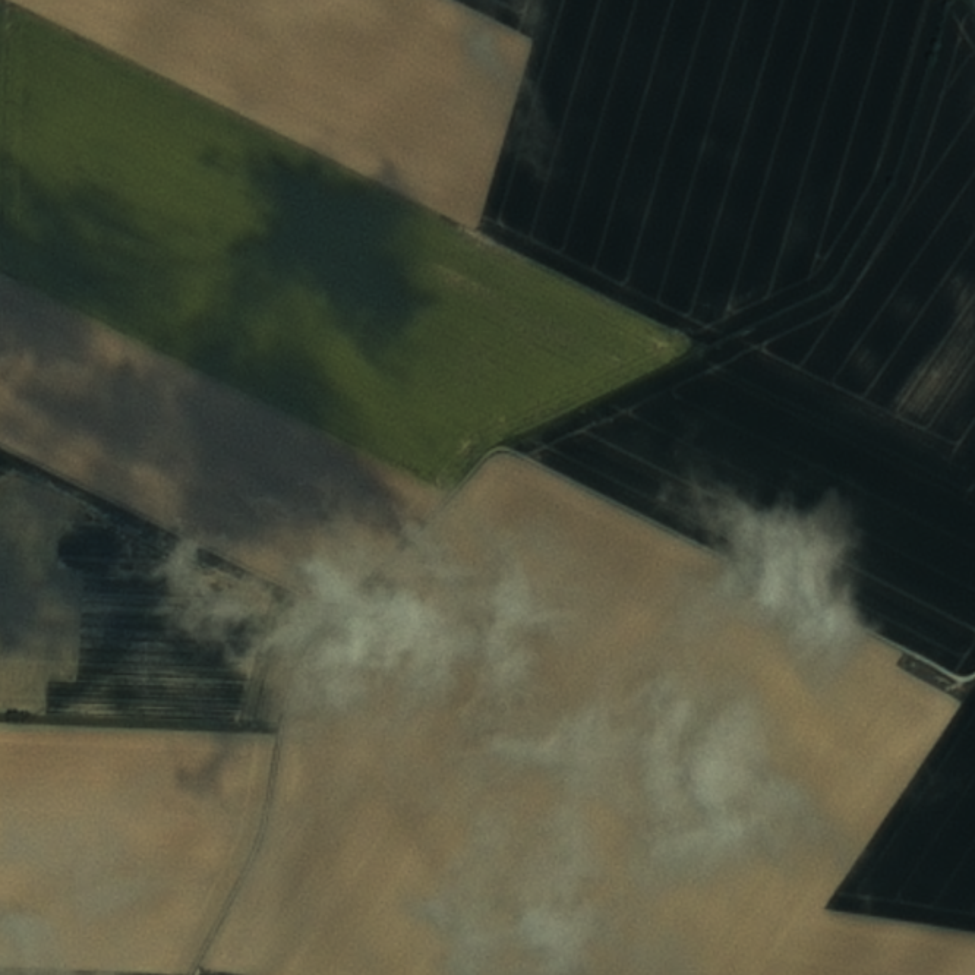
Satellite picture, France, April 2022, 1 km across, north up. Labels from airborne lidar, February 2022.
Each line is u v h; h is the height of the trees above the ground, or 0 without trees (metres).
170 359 0
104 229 0
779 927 0
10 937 0
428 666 0
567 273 0
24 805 0
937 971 0
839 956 0
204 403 0
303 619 0
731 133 0
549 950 0
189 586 0
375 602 0
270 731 0
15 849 0
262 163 0
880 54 0
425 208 0
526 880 0
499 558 0
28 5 0
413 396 0
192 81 0
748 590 0
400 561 0
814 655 0
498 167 0
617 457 0
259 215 0
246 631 0
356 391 0
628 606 0
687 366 0
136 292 0
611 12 0
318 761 0
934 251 0
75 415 0
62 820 0
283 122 0
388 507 0
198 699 0
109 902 0
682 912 0
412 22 0
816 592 0
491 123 0
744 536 0
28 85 0
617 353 0
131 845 0
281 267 0
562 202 0
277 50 0
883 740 0
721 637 0
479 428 0
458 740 0
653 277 0
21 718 7
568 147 0
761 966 0
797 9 0
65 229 0
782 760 0
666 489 0
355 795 0
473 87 0
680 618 0
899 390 0
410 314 0
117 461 0
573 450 0
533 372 0
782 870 0
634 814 0
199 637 0
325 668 0
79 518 0
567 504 0
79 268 0
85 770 0
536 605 0
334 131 0
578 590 0
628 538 0
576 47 0
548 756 0
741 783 0
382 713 0
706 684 0
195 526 0
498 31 0
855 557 0
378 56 0
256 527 0
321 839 0
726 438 0
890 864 0
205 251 0
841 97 0
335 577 0
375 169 0
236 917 0
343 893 0
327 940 0
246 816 0
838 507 0
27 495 0
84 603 0
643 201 0
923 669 0
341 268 0
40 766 0
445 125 0
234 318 0
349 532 0
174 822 0
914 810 0
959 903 0
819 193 0
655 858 0
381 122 0
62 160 0
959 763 0
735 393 0
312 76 0
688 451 0
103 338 0
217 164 0
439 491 0
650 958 0
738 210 0
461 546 0
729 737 0
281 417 0
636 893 0
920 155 0
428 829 0
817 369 0
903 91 0
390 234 0
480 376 0
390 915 0
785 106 0
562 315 0
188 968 0
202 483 0
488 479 0
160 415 0
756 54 0
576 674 0
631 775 0
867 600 0
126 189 0
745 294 0
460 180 0
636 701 0
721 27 0
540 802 0
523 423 0
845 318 0
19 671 0
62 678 0
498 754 0
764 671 0
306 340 0
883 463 0
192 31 0
